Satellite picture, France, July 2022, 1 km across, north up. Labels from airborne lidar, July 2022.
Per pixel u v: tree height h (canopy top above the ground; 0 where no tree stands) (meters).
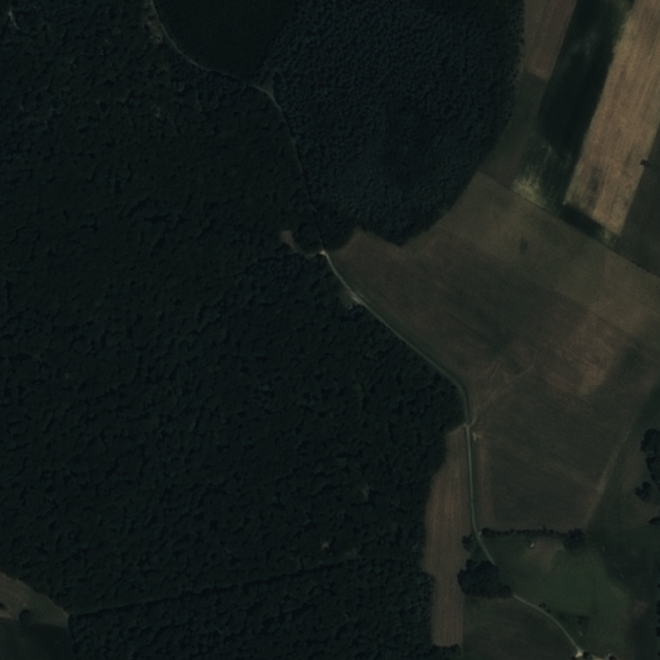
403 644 29
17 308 33
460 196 16
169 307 28
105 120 26
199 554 31
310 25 28
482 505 0
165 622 26
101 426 32
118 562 31
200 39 16
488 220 0
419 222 24
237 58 16
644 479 0
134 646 25
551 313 0
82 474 26
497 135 21
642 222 0
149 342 28
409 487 16
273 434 31
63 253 26
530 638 0
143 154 26
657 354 0
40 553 27
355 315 12
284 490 31
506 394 0
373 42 28
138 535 27
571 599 0
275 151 28
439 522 0
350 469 33
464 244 0
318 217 21
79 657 18
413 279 0
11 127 20
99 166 31
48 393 27
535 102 0
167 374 27
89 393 32
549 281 0
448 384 22
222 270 32
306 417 36
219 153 28
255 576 24
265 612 27
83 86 28
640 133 0
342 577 29
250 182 31
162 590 29
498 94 23
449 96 8
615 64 0
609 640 0
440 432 19
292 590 29
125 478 24
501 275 0
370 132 22
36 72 25
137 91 33
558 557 0
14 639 0
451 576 0
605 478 0
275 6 13
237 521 29
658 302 0
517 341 0
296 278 25
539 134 0
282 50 25
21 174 25
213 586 17
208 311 31
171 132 28
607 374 0
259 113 34
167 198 32
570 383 0
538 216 0
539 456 0
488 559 0
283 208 23
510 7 11
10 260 28
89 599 28
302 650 30
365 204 19
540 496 0
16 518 29
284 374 31
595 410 0
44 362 28
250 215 30
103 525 28
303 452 33
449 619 0
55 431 32
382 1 33
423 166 23
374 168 19
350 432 33
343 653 31
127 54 31
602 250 0
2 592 0
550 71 0
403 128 19
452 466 0
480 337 0
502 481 0
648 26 0
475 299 0
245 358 28
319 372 23
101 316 33
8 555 29
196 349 33
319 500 32
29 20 30
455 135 21
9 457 31
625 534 0
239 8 15
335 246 19
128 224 31
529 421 0
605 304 0
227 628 26
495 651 0
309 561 27
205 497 29
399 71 33
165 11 14
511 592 20
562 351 0
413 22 33
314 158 22
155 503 28
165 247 30
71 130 35
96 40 26
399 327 0
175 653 29
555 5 0
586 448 0
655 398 0
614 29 0
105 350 34
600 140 0
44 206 28
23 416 32
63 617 0
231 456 30
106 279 31
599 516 0
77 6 30
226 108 30
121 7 30
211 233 33
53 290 28
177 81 19
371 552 27
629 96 0
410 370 29
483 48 23
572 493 0
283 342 33
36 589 14
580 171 0
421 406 27
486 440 0
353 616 31
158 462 30
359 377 32
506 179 0
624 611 0
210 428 28
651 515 0
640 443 0
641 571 0
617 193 0
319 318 29
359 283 0
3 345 34
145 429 33
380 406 34
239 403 32
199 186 32
